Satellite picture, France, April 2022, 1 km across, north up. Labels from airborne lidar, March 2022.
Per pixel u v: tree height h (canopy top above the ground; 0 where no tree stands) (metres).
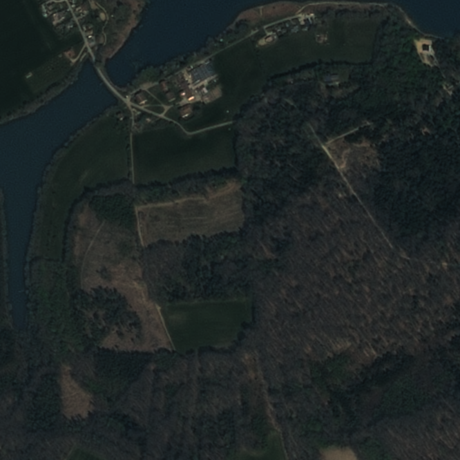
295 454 34
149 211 0
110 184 0
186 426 21
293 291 26
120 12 16
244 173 27
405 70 27
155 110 0
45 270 20
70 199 0
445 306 27
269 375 30
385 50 19
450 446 28
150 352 0
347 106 15
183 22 0
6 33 0
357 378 12
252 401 18
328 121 22
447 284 26
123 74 0
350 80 6
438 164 31
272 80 9
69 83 12
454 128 25
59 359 27
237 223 0
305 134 29
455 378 20
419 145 30
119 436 42
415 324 31
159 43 0
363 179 30
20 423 35
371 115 18
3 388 23
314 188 25
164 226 0
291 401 30
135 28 0
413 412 16
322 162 9
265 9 0
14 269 0
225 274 30
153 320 0
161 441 35
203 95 0
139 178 0
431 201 28
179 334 0
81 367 29
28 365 23
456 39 8
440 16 0
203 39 0
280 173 20
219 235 0
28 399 32
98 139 0
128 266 0
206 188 27
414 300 27
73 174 0
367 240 0
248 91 0
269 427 11
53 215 0
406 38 25
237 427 27
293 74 10
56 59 0
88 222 0
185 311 0
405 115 13
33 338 19
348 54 0
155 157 0
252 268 29
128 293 0
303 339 28
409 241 34
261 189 30
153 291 24
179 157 0
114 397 19
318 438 32
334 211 0
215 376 20
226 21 0
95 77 0
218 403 35
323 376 7
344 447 18
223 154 0
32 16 0
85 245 0
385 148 11
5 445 37
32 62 0
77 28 10
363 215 32
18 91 0
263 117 23
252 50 0
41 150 0
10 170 0
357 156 0
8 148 0
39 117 0
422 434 35
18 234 0
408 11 0
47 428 26
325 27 12
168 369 21
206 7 0
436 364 17
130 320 22
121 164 0
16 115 14
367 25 0
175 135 0
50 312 27
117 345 0
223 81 0
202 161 0
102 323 23
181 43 0
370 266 28
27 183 0
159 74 18
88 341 8
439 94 25
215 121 0
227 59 0
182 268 29
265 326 28
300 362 32
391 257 32
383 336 26
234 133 0
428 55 0
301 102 22
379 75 16
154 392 27
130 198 17
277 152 25
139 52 0
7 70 0
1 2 0
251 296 30
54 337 26
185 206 0
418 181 23
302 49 0
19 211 0
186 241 0
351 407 14
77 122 0
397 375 17
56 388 26
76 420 0
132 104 0
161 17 0
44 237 0
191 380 26
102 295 19
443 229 30
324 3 0
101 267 0
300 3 0
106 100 0
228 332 0
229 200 0
